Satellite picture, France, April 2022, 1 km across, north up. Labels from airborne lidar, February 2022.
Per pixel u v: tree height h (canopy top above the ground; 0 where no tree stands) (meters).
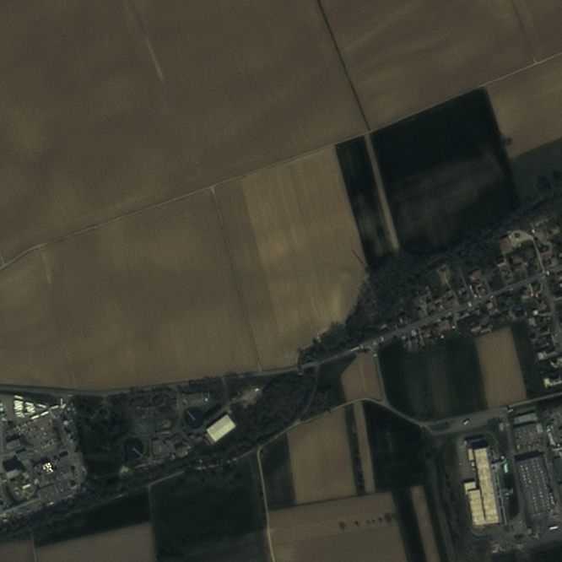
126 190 0
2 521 0
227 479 16
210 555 0
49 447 0
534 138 0
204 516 0
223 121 0
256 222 0
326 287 0
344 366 0
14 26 0
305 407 11
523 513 0
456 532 0
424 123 0
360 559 0
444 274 0
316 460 0
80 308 0
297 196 0
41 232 0
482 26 0
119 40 0
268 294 0
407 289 16
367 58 0
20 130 0
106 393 0
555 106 0
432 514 0
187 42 0
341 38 0
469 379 0
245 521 0
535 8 0
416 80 0
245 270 0
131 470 0
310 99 0
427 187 0
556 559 0
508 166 0
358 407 0
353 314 10
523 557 0
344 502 0
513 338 0
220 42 0
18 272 0
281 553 0
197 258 0
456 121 0
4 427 0
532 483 0
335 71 0
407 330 0
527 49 0
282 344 0
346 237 0
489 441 0
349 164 0
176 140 0
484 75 0
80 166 0
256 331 0
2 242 0
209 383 18
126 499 0
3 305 0
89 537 0
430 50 0
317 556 0
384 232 0
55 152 0
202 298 0
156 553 0
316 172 0
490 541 0
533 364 0
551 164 0
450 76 0
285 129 0
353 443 0
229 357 0
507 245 0
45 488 0
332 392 15
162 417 0
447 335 0
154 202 0
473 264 19
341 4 0
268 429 21
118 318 0
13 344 0
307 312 0
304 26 0
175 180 0
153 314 0
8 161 0
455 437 0
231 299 0
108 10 0
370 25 0
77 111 0
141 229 0
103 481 0
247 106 0
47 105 0
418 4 0
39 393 0
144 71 0
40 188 0
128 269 0
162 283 0
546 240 0
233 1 0
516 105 0
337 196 0
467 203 0
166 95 0
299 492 0
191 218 0
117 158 0
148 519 0
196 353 0
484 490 0
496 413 0
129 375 0
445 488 0
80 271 0
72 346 0
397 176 0
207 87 0
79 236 0
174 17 0
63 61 0
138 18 0
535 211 20
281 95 0
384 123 0
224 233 0
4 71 0
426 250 0
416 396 0
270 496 0
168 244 0
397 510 0
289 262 0
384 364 0
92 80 0
